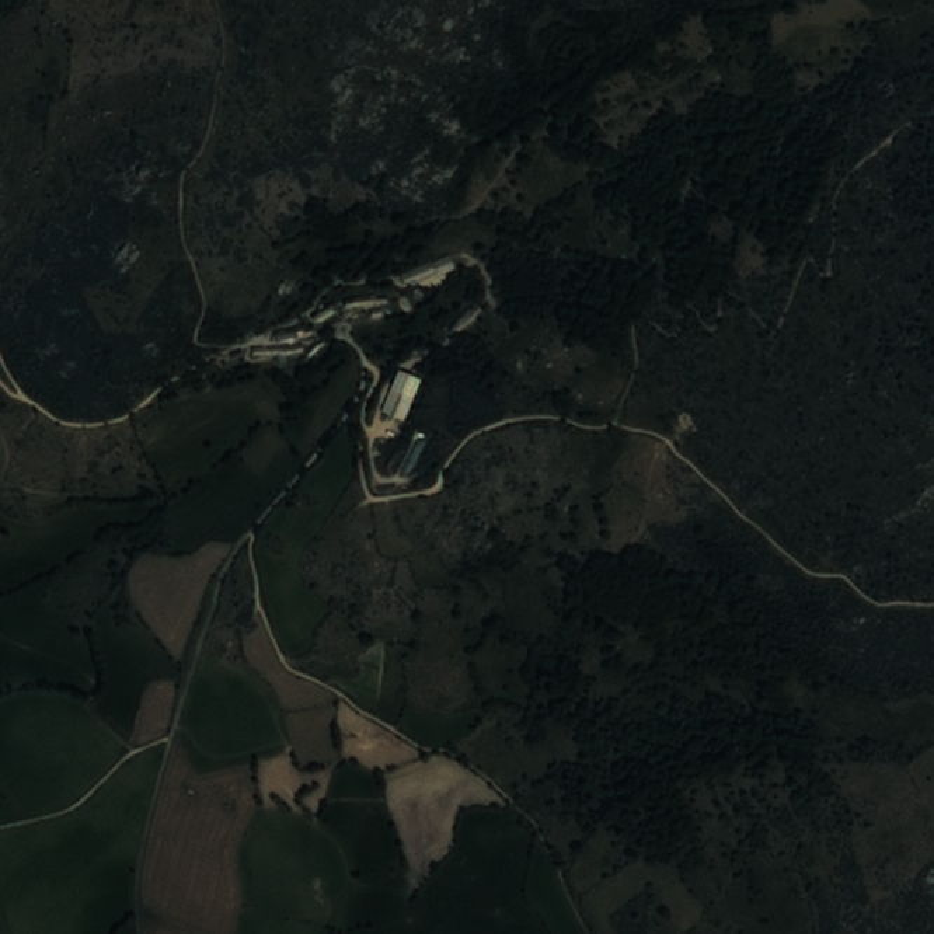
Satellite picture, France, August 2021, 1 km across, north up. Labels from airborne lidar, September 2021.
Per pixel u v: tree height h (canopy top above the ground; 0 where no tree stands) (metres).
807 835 0
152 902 0
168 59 0
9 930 0
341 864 0
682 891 0
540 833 7
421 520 0
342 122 0
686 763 10
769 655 12
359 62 0
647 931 0
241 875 0
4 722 0
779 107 7
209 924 0
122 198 0
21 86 0
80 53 0
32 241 0
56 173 0
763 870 0
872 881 0
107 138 0
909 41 0
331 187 0
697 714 9
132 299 0
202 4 0
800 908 0
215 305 0
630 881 0
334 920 0
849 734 0
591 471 0
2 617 0
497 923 0
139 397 7
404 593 0
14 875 0
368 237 13
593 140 17
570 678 21
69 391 0
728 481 0
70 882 0
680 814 12
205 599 0
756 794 9
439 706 0
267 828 0
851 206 0
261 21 0
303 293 12
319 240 9
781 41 0
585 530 0
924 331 9
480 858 0
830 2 0
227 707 0
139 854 0
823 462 0
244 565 0
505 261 10
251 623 0
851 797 0
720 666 10
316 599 0
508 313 10
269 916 0
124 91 0
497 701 6
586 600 18
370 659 0
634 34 9
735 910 0
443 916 0
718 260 10
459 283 9
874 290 0
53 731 0
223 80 0
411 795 0
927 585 8
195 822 0
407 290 6
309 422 0
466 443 0
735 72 0
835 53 9
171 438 0
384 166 0
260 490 0
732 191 10
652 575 19
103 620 0
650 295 11
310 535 0
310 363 14
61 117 0
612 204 22
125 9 0
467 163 11
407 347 12
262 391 0
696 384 0
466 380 0
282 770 0
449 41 0
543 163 0
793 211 10
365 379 7
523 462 0
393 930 0
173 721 0
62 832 0
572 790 13
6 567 0
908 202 6
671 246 18
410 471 0
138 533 8
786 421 0
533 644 8
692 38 0
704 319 7
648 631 21
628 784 13
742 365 0
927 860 0
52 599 0
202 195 0
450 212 6
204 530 0
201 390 10
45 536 0
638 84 6
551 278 7
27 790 0
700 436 0
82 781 0
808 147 9
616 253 0
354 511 0
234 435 0
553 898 0
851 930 0
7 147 0
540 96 10
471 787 0
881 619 0
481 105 9
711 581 11
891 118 0
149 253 0
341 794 0
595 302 16
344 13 0
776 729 7
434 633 0
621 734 8
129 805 0
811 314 0
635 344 0
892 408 0
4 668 0
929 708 0
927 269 7
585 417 10
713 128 9
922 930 0
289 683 0
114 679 0
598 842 0
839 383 0
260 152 0
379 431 0
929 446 0
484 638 7
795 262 5
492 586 0
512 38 9
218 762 0
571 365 0
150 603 0
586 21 12
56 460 0
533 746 10
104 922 0
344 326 0
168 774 0
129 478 0
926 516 0
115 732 0
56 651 0
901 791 0
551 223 6
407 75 0
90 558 0
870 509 0
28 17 0
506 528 0
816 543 0
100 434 0
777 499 0
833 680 13
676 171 17
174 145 0
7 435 0
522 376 0
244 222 0
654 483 0
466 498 0
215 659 0
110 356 10
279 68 0
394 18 0
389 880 0
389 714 0
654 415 0
